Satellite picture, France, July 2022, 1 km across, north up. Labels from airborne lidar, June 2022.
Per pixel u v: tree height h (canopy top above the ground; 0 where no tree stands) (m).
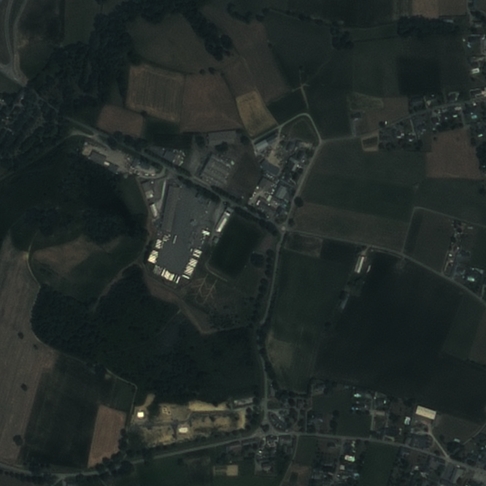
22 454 0
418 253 0
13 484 0
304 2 0
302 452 0
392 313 0
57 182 0
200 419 0
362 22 0
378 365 0
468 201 0
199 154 0
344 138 0
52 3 0
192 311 0
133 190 0
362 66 0
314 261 0
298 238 0
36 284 0
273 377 12
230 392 0
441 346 0
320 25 8
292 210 0
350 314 0
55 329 13
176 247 0
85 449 0
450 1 0
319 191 0
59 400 0
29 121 25
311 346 0
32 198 0
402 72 0
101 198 8
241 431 10
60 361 0
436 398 0
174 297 0
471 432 0
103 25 20
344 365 0
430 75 0
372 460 0
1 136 13
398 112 0
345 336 0
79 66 13
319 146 0
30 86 11
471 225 0
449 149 0
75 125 0
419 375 0
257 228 0
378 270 0
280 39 0
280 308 0
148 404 0
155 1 23
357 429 0
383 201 0
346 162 0
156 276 0
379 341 0
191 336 0
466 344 0
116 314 8
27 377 0
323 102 0
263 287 10
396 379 0
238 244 0
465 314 0
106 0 14
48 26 0
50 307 13
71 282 0
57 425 0
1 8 0
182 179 11
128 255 0
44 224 14
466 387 0
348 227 0
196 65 0
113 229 24
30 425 0
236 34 0
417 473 15
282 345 0
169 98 0
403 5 0
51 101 6
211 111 0
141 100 0
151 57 0
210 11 0
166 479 0
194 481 0
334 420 6
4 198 0
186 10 22
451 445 14
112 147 13
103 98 24
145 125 0
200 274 0
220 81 0
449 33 8
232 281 0
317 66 0
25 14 0
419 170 0
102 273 0
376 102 0
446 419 0
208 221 0
